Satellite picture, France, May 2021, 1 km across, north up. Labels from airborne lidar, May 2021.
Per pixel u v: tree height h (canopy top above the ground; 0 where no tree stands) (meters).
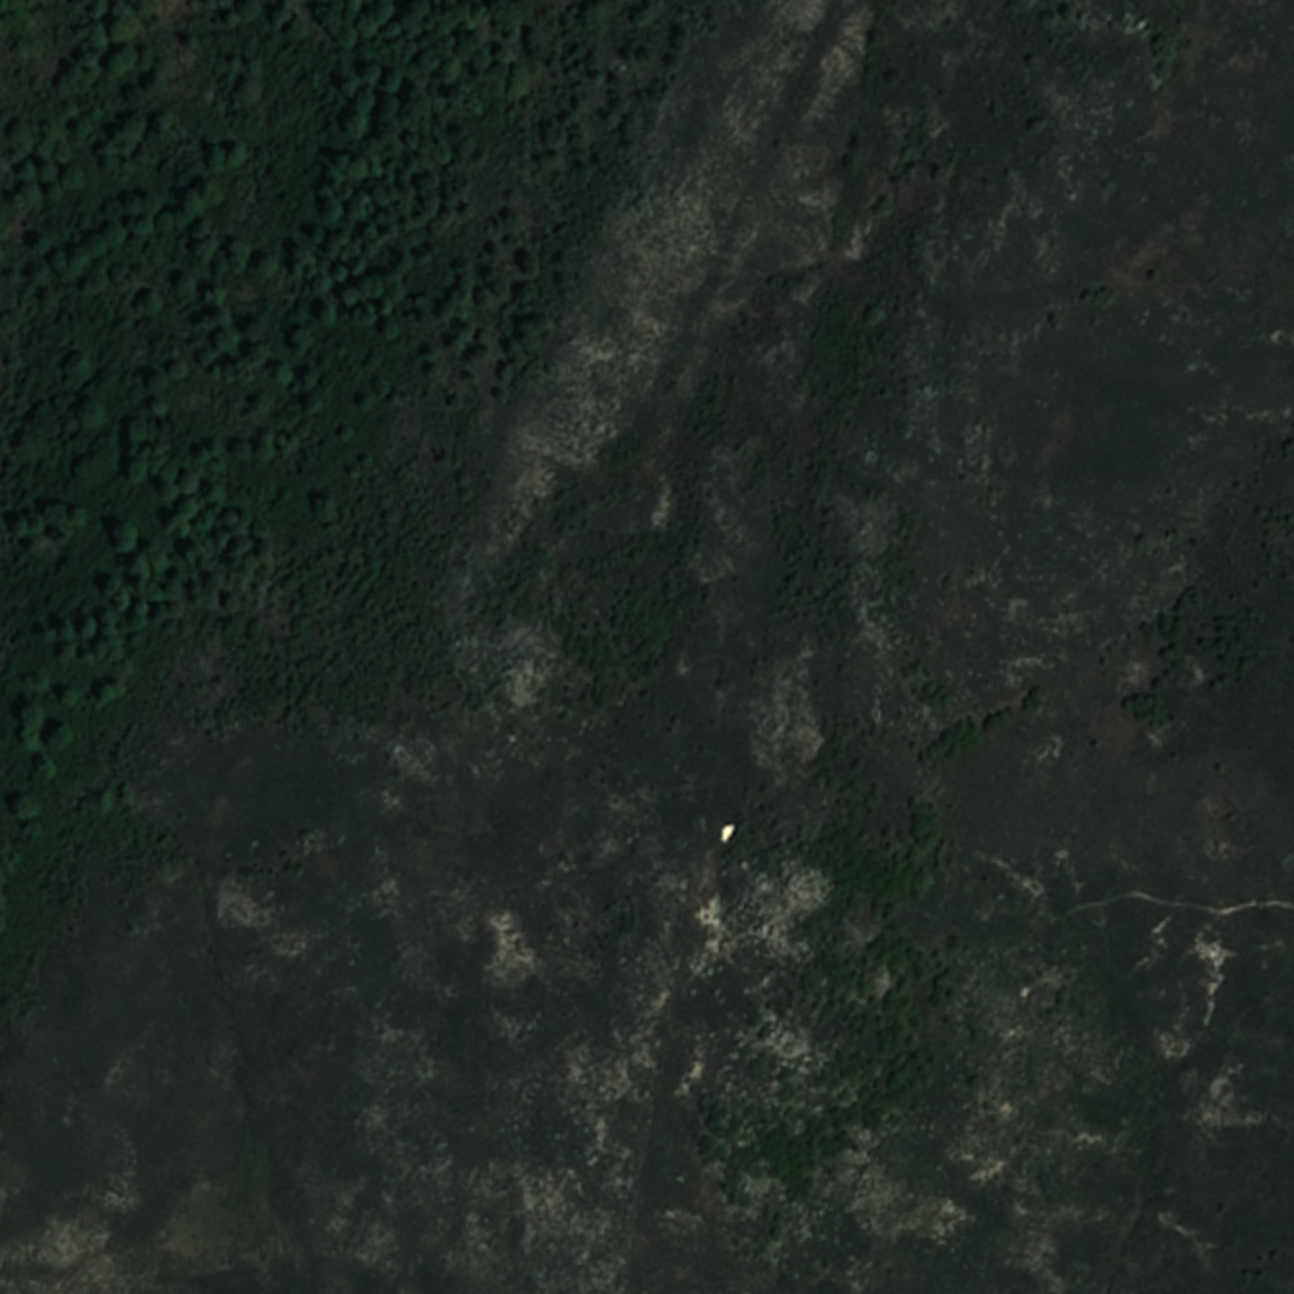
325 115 6
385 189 21
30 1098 0
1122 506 0
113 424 6
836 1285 0
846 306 6
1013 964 0
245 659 6
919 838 8
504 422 0
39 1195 0
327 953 0
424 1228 0
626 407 0
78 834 6
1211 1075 0
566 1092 0
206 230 25
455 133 19
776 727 0
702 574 0
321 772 0
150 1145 0
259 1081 0
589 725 0
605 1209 0
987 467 0
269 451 27
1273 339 0
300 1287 0
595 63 12
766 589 0
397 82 28
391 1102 0
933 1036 0
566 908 0
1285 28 0
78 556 7
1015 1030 0
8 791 9
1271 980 0
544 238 7
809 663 0
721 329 0
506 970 0
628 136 16
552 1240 0
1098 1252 0
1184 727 0
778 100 0
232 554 16
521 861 0
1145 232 0
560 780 0
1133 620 0
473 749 0
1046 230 0
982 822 0
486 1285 0
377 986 0
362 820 0
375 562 10
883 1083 7
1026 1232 0
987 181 8
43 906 6
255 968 0
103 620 19
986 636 0
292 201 11
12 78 8
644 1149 0
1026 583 0
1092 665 0
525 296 21
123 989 0
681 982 0
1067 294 0
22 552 6
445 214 12
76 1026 0
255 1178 0
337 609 0
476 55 20
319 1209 0
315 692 6
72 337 10
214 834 0
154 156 10
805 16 0
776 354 0
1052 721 0
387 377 8
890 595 6
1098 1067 0
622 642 8
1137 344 0
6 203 6
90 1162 0
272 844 0
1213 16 0
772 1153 8
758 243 0
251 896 0
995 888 0
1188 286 0
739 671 0
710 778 0
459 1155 0
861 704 0
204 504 6
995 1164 0
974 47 0
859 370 9
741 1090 0
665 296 0
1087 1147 0
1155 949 0
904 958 9
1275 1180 0
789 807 0
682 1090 0
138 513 8
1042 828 0
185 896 0
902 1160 0
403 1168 0
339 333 10
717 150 0
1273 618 0
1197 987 0
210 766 0
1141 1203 0
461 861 0
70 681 5
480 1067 0
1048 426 0
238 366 26
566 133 22
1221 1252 0
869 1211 0
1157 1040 0
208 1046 0
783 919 0
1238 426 0
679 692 0
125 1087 0
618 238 0
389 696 6
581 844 0
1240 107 0
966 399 0
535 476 0
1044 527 0
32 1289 0
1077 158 0
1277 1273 0
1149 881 0
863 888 8
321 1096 0
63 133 10
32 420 13
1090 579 0
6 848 27
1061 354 0
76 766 6
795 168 0
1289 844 0
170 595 19
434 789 0
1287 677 0
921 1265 0
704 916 0
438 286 6
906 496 0
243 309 6
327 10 21
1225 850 0
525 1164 0
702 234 0
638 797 0
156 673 7
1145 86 0
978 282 0
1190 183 0
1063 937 0
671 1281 0
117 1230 0
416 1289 0
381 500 7
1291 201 0
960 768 0
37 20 27
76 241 9
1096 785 0
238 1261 0
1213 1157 0
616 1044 0
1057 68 0
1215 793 0
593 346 0
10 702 7
